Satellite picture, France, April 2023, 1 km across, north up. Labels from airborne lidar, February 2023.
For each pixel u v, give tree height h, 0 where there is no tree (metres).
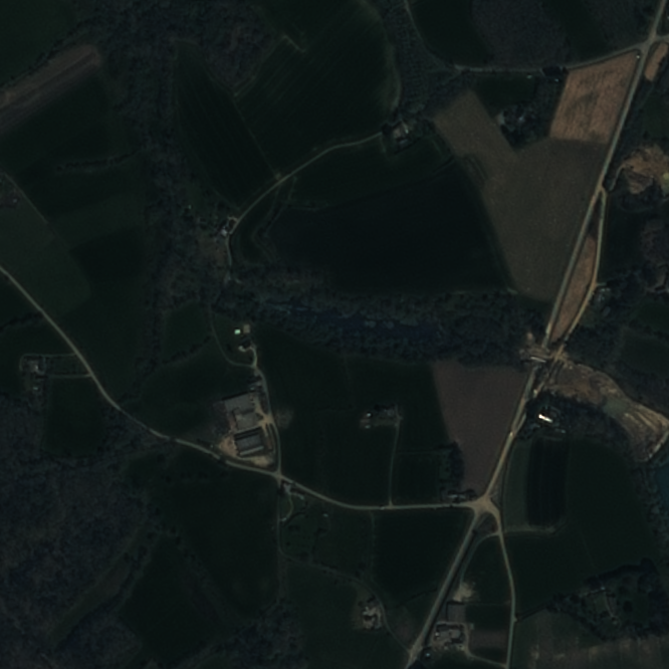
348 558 0
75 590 21
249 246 0
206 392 0
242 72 12
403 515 0
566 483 0
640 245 7
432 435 0
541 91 11
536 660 0
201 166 0
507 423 0
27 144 0
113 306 0
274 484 0
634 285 21
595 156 0
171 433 0
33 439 20
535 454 0
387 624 0
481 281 0
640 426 0
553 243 0
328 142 0
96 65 0
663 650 0
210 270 24
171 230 18
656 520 10
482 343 15
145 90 9
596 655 0
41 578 24
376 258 0
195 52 0
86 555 20
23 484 22
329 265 0
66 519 11
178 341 0
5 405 18
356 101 0
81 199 0
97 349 0
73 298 0
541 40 20
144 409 0
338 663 0
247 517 0
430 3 0
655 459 13
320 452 0
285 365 0
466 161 0
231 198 0
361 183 0
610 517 0
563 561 0
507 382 0
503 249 0
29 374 8
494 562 0
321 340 7
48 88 0
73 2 6
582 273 0
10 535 23
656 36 0
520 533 0
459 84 17
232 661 11
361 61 0
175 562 0
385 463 0
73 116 0
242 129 0
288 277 14
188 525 0
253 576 0
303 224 0
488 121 0
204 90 0
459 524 0
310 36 0
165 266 16
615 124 0
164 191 12
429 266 0
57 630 0
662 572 0
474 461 0
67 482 13
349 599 0
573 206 0
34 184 0
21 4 0
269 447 0
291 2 0
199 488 0
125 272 0
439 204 0
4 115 0
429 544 0
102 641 18
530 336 13
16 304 0
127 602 0
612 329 21
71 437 0
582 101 0
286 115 0
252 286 17
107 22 15
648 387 18
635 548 0
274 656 8
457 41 0
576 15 0
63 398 0
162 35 20
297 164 0
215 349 0
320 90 0
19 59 0
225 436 0
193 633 0
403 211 0
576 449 0
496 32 17
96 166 9
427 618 0
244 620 0
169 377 0
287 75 0
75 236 0
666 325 0
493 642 0
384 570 0
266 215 0
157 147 14
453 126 0
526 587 0
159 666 8
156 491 0
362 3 0
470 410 0
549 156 0
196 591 0
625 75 0
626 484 0
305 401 0
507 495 0
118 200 0
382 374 0
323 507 0
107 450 15
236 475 0
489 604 0
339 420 0
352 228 0
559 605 10
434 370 0
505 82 0
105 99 0
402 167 0
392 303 11
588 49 0
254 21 13
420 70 17
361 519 0
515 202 0
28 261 0
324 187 0
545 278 0
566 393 0
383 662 0
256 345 0
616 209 0
